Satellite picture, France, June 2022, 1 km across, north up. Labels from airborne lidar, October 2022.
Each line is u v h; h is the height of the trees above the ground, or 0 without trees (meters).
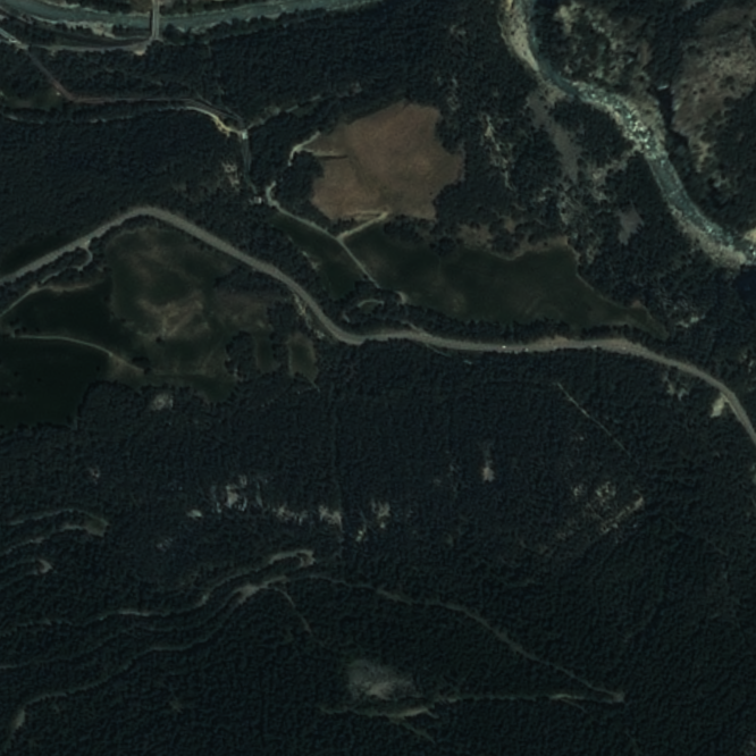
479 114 7
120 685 21
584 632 21
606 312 0
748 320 13
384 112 0
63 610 17
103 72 10
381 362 13
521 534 13
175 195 15
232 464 8
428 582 19
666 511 28
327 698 18
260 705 16
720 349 12
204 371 0
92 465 8
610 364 13
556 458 9
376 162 0
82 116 17
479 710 13
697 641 26
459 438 9
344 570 13
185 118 11
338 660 15
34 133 11
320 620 20
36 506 11
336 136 0
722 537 21
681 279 8
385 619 13
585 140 7
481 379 16
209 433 10
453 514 12
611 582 16
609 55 12
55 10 0
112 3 17
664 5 8
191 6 10
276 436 10
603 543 11
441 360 14
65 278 11
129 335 0
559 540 11
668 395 9
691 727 19
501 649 13
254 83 15
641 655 27
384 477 13
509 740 15
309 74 18
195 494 8
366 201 0
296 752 17
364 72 13
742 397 10
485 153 8
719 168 8
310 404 14
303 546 11
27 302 0
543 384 12
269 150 13
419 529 10
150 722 14
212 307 0
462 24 12
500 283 0
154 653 13
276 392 12
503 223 10
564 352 11
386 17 11
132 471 13
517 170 9
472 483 9
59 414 0
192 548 12
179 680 17
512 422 11
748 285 16
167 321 0
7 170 13
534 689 15
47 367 0
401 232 17
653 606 15
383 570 20
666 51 8
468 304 0
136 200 11
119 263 0
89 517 8
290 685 20
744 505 17
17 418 0
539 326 17
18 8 0
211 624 20
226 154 9
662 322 15
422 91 15
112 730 17
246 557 8
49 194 15
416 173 0
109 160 20
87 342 0
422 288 0
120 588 21
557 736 23
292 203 9
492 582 10
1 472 19
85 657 17
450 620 14
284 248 10
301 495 10
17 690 9
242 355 15
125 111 19
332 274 0
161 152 11
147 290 0
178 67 12
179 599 11
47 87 8
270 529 12
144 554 8
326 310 14
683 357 17
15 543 10
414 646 10
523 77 15
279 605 16
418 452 13
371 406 17
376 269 0
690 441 22
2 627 22
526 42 0
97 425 16
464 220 10
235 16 0
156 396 6
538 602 20
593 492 9
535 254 0
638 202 13
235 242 13
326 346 10
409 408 11
